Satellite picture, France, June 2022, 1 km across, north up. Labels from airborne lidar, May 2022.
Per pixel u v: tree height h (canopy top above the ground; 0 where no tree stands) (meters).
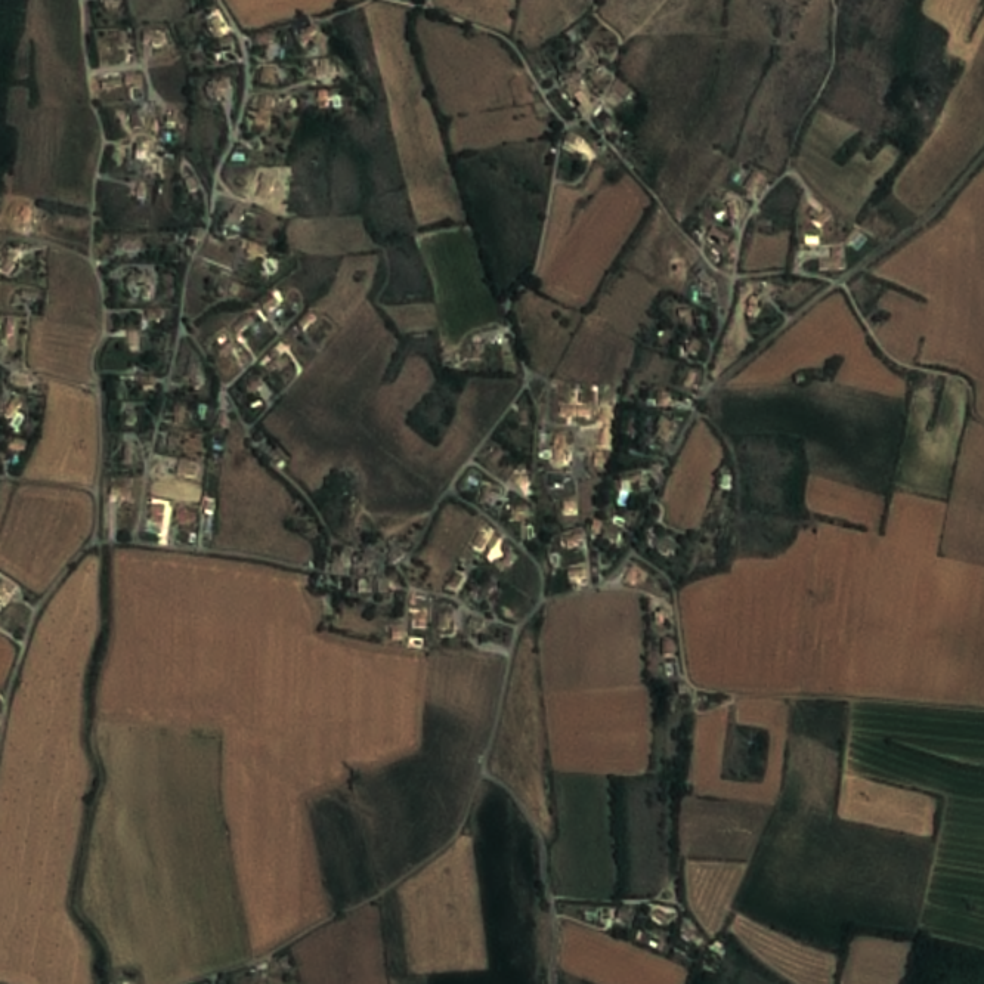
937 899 0
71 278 0
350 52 8
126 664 0
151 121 0
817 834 0
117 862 0
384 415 0
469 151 8
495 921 0
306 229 0
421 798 0
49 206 14
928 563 0
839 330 0
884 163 0
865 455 0
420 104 0
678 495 0
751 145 0
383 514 0
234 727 0
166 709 0
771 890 0
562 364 0
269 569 0
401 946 0
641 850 0
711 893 0
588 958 0
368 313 0
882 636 0
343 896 0
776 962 0
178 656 0
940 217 0
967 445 0
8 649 0
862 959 0
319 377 0
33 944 0
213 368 8
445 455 0
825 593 0
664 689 14
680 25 0
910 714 0
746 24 0
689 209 0
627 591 0
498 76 0
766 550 0
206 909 0
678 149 0
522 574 0
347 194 0
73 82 0
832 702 0
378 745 0
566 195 0
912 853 0
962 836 0
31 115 0
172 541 0
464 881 0
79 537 0
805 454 6
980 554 0
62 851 0
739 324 0
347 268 0
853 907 0
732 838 0
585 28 8
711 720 0
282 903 0
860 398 0
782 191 0
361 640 0
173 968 0
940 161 0
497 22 0
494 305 0
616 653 0
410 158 0
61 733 0
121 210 0
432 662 0
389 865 0
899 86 11
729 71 0
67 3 0
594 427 0
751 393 0
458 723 0
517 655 0
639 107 6
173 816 0
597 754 0
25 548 0
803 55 0
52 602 0
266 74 0
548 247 0
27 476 0
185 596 0
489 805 0
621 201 0
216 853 0
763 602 0
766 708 0
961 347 0
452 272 0
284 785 0
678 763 8
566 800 0
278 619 0
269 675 0
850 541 0
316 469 0
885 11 0
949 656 0
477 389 0
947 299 0
